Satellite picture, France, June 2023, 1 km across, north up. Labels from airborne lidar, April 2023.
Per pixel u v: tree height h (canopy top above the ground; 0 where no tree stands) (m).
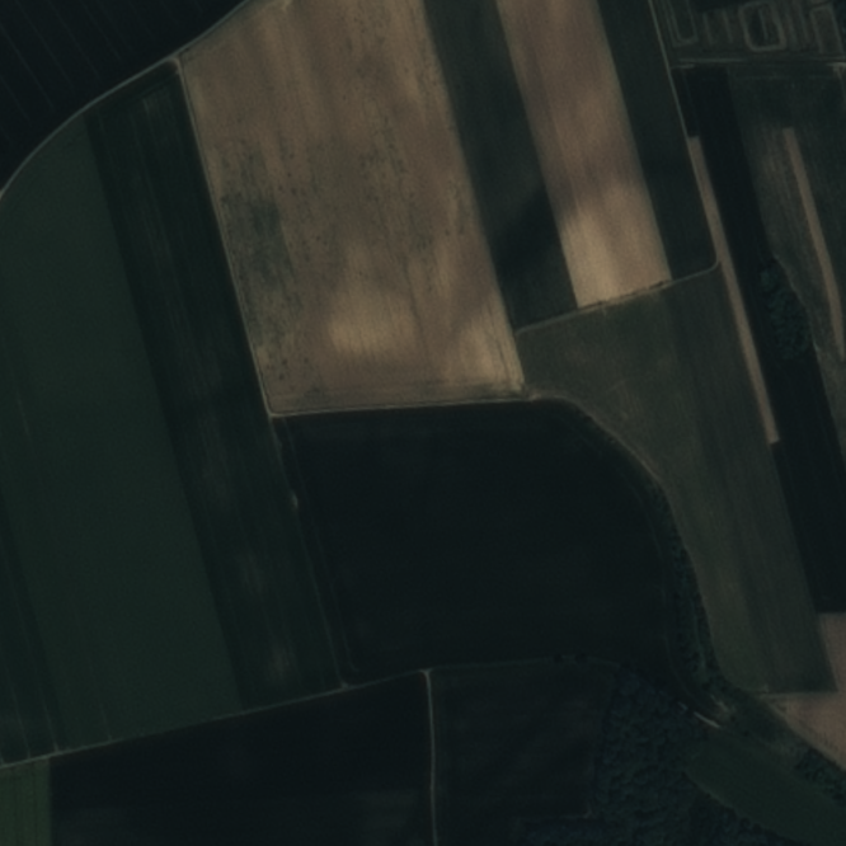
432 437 0
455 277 0
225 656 0
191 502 0
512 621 0
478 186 0
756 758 0
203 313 0
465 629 0
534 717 0
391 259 0
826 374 0
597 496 0
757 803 0
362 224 0
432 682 0
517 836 0
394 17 0
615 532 0
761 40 0
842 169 0
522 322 0
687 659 10
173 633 0
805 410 0
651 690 32
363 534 0
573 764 0
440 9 0
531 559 0
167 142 0
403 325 0
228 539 0
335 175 0
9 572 0
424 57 0
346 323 0
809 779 17
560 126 0
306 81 0
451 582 0
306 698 0
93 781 0
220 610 0
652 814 22
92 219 0
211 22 0
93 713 0
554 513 0
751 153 0
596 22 0
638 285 0
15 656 0
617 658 0
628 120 0
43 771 0
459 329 0
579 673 0
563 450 0
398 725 0
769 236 0
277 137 0
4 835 0
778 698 0
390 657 0
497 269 0
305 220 0
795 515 0
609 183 0
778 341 11
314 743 0
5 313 0
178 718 0
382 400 0
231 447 0
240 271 0
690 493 0
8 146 0
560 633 0
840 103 0
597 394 0
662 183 0
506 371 0
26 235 0
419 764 0
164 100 0
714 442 0
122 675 0
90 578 0
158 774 0
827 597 0
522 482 0
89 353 0
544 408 0
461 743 0
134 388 0
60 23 0
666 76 0
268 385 0
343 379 0
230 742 0
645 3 0
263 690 0
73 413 0
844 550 0
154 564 0
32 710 0
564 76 0
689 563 12
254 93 0
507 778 0
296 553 0
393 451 0
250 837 0
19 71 0
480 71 0
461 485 0
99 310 0
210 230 0
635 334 0
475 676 0
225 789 0
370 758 0
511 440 0
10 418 0
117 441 0
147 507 0
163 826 0
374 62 0
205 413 0
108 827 0
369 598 0
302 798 0
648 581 0
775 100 0
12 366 0
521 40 0
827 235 0
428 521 0
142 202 0
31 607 0
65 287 0
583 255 0
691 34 0
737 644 0
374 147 0
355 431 0
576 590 0
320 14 0
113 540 0
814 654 0
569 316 0
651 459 0
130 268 0
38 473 0
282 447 0
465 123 0
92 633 0
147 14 0
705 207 0
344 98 0
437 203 0
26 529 0
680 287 0
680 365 0
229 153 0
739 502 0
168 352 0
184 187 0
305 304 0
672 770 18
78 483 0
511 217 0
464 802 0
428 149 0
